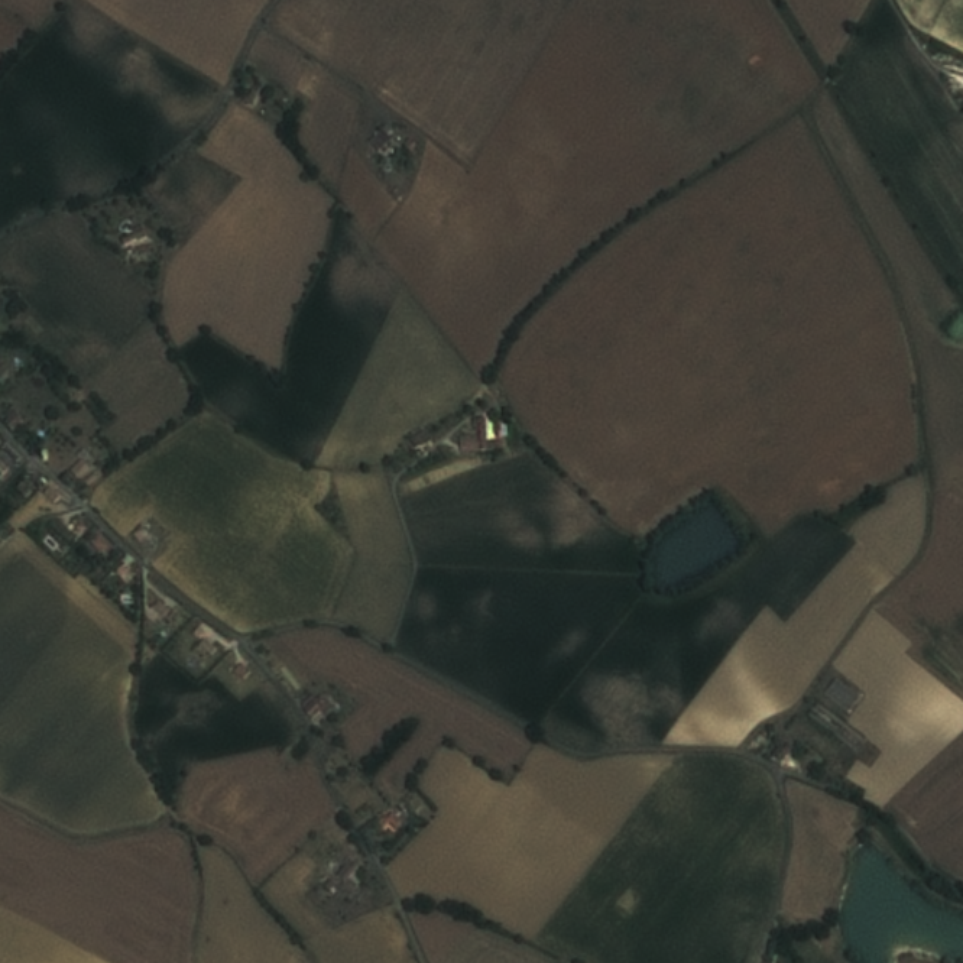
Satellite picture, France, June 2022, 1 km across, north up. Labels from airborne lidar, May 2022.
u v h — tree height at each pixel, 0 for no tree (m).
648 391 0
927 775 0
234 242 0
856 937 0
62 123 0
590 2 0
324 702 0
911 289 0
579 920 0
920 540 0
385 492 0
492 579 0
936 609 0
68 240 0
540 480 0
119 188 10
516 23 0
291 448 0
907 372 0
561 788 0
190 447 0
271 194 0
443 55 0
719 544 0
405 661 0
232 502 0
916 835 0
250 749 0
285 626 0
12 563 0
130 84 0
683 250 0
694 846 0
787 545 0
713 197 0
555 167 0
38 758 0
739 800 0
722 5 0
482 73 0
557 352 0
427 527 0
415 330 0
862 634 0
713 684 0
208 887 0
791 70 0
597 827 0
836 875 0
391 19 0
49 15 0
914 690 0
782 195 0
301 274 0
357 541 0
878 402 0
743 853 0
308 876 0
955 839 0
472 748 0
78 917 0
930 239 0
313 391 0
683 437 0
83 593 0
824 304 0
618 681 0
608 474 0
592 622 0
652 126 0
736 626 0
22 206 0
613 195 0
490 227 0
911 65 0
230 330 0
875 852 0
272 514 0
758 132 0
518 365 0
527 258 0
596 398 0
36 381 9
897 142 0
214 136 0
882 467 0
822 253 0
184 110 0
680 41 0
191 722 0
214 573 0
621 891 0
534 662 0
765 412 0
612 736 0
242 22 0
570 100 0
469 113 0
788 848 0
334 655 0
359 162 0
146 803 0
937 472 0
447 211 0
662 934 0
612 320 0
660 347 0
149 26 0
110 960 0
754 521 0
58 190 0
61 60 0
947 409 0
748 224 0
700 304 0
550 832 0
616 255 0
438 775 0
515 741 0
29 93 0
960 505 0
